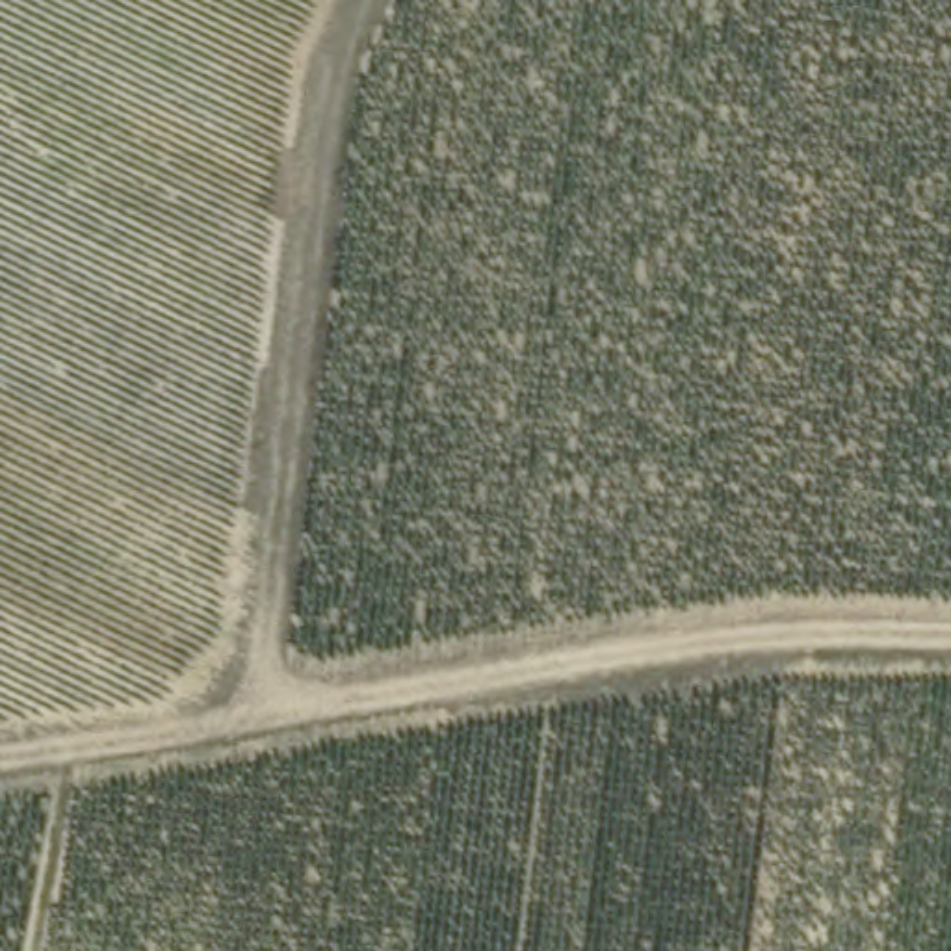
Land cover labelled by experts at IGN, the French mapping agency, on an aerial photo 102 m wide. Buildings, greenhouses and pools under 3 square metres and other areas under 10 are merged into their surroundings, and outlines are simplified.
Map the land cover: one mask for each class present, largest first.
<instances>
[{"label":"vineyard","instance_id":"1","mask_svg":"<svg viewBox=\"0 0 951 951\"><path fill-rule=\"evenodd\" d=\"M316 0H0V743L71 736L67 724H41V710L160 698L171 676H182L189 658H197L219 632V580L227 576V535L234 524V509H249L245 494L253 483V431L264 368L253 364V353L264 297L267 219L282 189L279 149L286 115V74L290 52ZM331 279L316 290V349L308 368V423L301 438L297 483L301 531L316 542V550L290 568L282 643L312 658H338L360 654L368 646L394 650L409 646L412 639L431 643L449 635L516 632L520 624H550L557 617L583 620L617 617L632 609H687L702 602L754 598L769 591L951 598V0H394V19L383 30L379 56H371L368 71L353 78L342 115L327 215ZM59 814L71 817V843L67 884L59 903L52 899L56 869H48V854L37 851V836L45 828V791L0 795V951H951V676H762L717 684L710 691L698 687L691 691L687 706L680 695L669 691L643 695L639 706H632L628 698H580L561 702L554 710L468 717L438 728L323 739L316 747H301L290 754L267 750L256 758L219 762L204 769L175 765L149 776L63 784Z\"/></svg>","mask_w":951,"mask_h":951},{"label":"herbaceous vegetation","instance_id":"2","mask_svg":"<svg viewBox=\"0 0 951 951\"><path fill-rule=\"evenodd\" d=\"M394 19V0H316L290 52L286 74V115L279 149L282 189L267 219L264 297L253 353V364L264 368L253 431V483L245 494L249 509H234V524L227 535V576L219 580V632L197 658H189L182 676H171L160 698L41 710V724H67L71 736L0 743V795L45 791V828L37 836V851L48 854V869H56L52 899L59 903L67 884L71 843V817L59 814L63 784L149 776L175 765L204 769L219 762L256 758L267 750L290 754L301 747H316L323 739L438 728L468 717L554 710L561 702L580 698H628L632 706H639L643 695L669 691L680 695L687 706L691 691L698 687L710 691L717 684L762 676H951V598L769 591L754 598L702 602L687 609H632L617 617L583 620L557 617L550 624H520L516 632L449 635L431 643L412 639L409 646L394 650L368 646L360 654L338 658H312L282 643L290 568L316 550V542L301 531L297 483L301 438L308 423V368L316 349V290L331 279L327 215L342 115L353 78L368 71L371 56H379L383 30Z\"/></svg>","mask_w":951,"mask_h":951}]
</instances>
